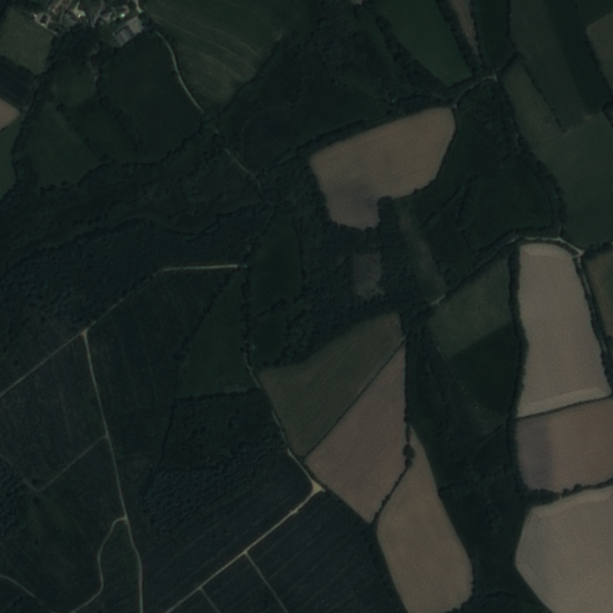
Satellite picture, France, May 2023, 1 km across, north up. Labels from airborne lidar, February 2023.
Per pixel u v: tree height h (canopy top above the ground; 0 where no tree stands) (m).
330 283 14
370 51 0
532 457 0
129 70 0
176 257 14
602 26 0
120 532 0
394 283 11
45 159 0
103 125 0
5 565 0
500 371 0
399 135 0
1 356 16
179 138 0
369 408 0
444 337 0
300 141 0
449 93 11
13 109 0
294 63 0
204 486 24
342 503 12
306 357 14
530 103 0
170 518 25
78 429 0
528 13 0
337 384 0
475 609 13
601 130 0
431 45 0
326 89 0
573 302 0
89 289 8
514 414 13
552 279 0
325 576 0
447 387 8
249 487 13
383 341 0
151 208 0
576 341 0
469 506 0
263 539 0
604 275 0
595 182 0
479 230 0
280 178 7
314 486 0
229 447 15
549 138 0
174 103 0
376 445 0
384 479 0
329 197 0
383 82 7
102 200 0
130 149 0
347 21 0
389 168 0
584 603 0
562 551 0
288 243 0
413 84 11
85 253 11
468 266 0
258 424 17
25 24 0
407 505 0
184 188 10
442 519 0
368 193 0
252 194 0
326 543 0
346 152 0
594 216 0
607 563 0
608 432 0
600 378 0
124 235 16
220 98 0
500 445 0
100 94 10
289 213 14
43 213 14
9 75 0
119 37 0
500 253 10
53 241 0
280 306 11
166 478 21
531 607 0
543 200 0
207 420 17
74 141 0
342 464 0
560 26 0
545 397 0
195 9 0
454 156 0
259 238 10
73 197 24
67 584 0
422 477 0
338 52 10
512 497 0
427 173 0
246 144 0
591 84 0
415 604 0
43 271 18
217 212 0
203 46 0
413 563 0
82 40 12
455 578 0
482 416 0
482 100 0
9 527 27
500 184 0
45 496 0
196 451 6
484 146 0
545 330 0
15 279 13
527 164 11
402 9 0
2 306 19
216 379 0
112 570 0
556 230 9
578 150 0
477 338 0
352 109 0
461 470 0
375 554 14
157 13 0
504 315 0
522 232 11
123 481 0
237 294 0
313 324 9
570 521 0
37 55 0
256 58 0
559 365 0
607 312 0
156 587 0
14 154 15
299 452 0
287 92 0
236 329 0
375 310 15
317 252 10
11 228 0
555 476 0
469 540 0
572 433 0
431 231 0
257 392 16
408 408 8
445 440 7
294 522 0
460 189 8
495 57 0
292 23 0
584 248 0
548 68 0
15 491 20
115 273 16
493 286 0
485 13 0
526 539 0
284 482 0
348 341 0
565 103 0
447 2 14
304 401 0
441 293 0
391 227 16
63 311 13
